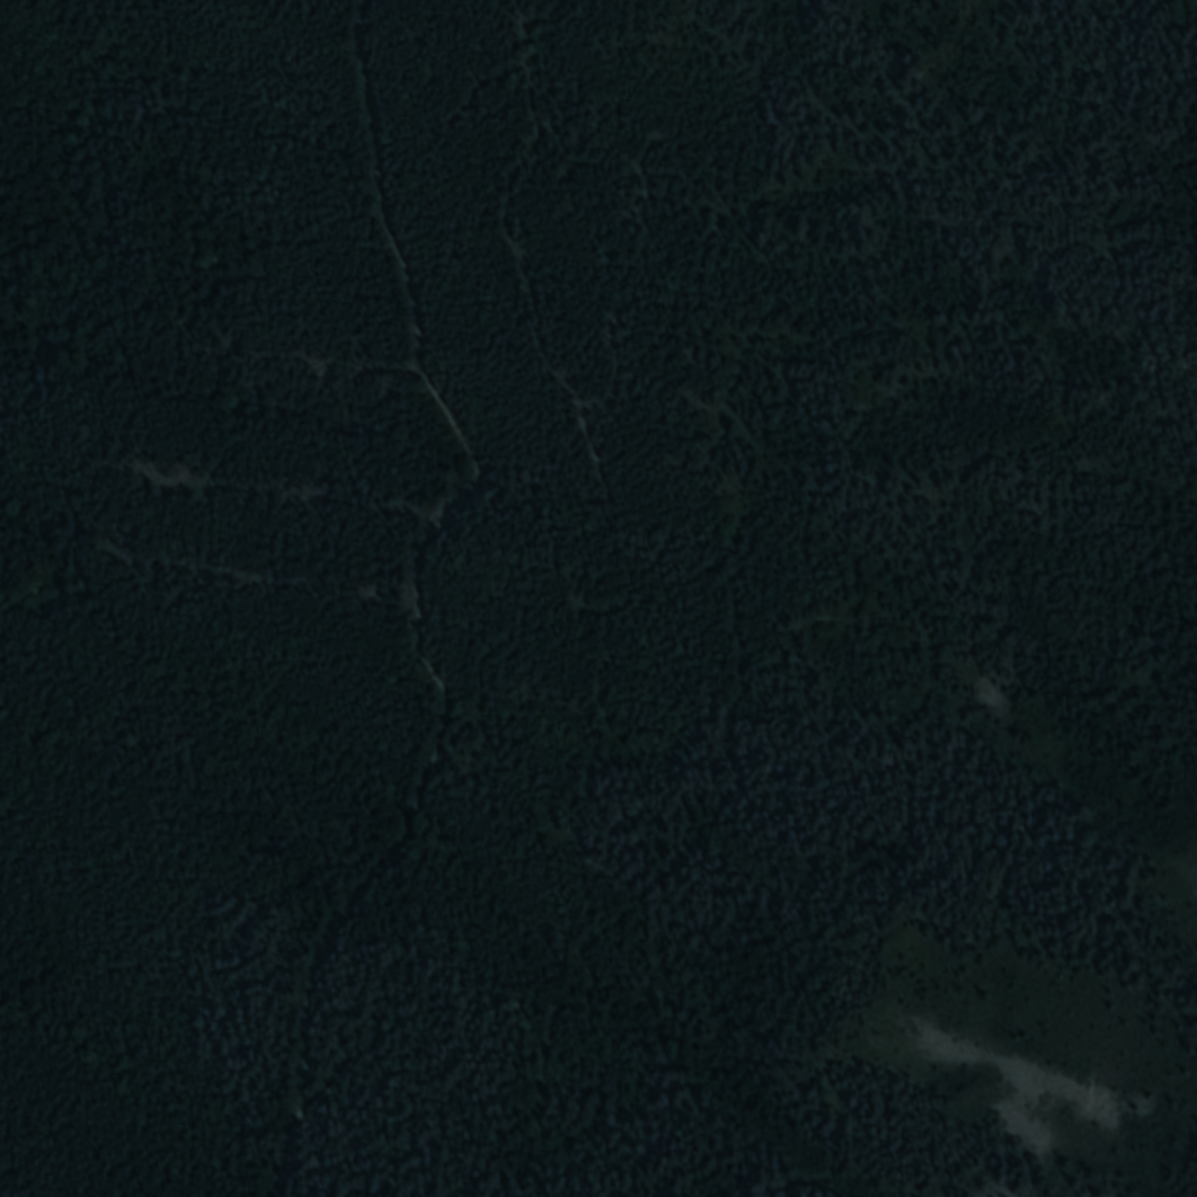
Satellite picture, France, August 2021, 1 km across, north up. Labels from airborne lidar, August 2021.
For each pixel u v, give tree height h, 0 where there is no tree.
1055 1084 0
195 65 7
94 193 26
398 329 24
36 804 16
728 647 7
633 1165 14
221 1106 8
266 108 18
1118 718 20
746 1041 6
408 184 23
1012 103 7
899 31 9
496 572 19
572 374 19
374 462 17
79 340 24
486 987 13
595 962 13
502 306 14
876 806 22
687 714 13
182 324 15
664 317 17
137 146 5
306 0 18
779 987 9
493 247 16
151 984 14
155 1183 19
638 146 14
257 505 20
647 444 14
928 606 14
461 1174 13
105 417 20
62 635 17
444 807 18
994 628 24
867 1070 17
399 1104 18
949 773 24
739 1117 6
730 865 17
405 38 20
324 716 16
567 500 16
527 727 12
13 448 19
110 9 21
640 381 17
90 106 22
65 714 16
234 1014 11
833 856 14
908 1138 13
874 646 12
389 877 17
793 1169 7
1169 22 11
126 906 16
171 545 16
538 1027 14
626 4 17
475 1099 22
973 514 9
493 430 14
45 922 18
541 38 12
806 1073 17
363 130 22
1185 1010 11
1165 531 9
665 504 16
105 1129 19
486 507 20
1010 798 19
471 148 18
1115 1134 0
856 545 10
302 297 20
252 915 8
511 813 10
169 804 16
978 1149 9
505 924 10
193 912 7
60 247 6
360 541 15
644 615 13
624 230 12
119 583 17
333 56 18
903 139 14
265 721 16
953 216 27
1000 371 21
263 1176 17
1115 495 7
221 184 12
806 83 16
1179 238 14
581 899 17
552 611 13
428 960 9
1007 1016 0
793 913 20
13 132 18
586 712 6
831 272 11
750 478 11
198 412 24
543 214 15
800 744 22
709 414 8
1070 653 15
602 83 11
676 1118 10
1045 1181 11
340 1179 22
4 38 19
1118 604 17
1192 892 0
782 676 12
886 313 9
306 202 19
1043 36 13
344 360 16
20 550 24
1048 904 18
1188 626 11
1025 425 17
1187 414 10
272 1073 20
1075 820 14
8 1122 16
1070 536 14
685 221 10
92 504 21
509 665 13
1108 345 10
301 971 20
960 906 22
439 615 11
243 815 17
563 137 15
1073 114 9
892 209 9
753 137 9
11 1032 20
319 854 17
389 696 16
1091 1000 0
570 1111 23
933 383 7
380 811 20
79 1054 22
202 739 18
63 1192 16
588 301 19
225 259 11
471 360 18
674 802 26
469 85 18
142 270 25
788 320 13
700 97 13
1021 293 6
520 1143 8
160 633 15
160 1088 14
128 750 18
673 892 28
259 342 21
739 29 21
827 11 28
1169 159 19
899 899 7
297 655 19
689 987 7
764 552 15
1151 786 12
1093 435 14
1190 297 6
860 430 5
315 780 16
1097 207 17
